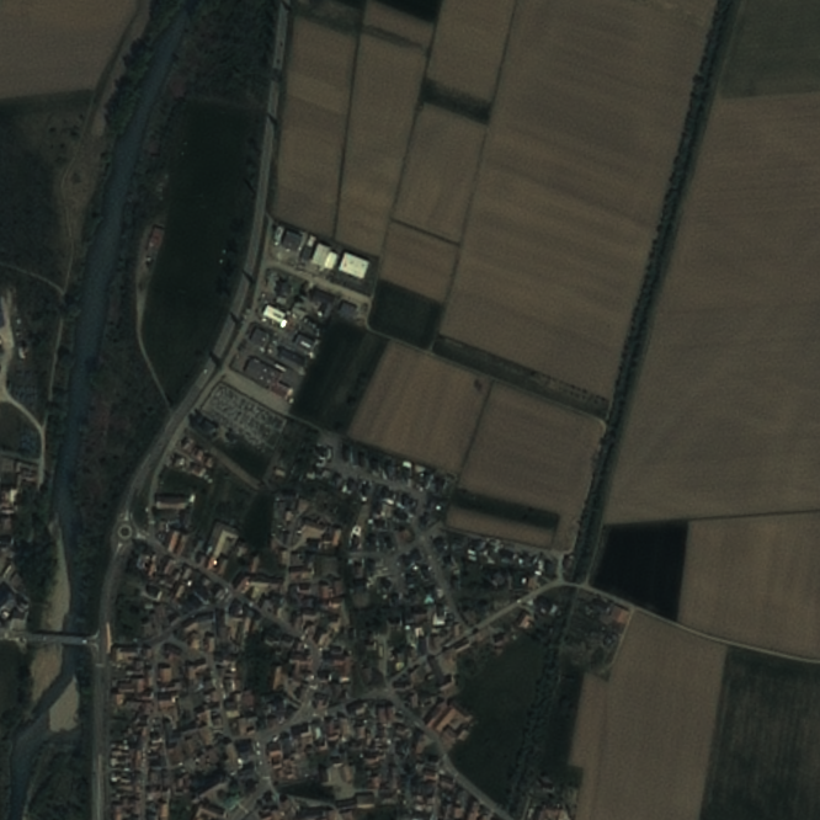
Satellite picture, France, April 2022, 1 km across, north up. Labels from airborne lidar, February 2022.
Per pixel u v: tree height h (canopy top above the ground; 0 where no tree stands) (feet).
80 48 0
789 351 0
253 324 0
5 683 0
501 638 0
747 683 0
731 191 0
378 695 0
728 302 0
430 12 0
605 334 0
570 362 0
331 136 0
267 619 0
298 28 0
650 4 0
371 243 0
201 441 0
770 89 0
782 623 0
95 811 0
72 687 0
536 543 0
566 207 0
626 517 0
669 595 0
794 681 0
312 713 0
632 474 0
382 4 0
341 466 0
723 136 0
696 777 0
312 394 0
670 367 0
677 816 0
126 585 0
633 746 0
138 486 0
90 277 0
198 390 0
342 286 0
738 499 0
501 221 0
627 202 0
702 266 0
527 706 0
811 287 0
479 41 0
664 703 0
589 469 0
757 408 0
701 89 25
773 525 0
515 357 0
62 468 0
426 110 0
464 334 0
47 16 0
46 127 0
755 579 0
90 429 35
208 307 0
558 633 37
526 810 0
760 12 0
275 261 0
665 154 0
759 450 0
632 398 0
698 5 0
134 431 0
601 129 0
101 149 0
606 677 0
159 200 0
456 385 0
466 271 0
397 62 0
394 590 0
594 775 0
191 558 0
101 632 0
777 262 0
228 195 0
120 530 0
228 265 0
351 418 0
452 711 0
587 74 0
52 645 0
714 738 0
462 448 0
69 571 0
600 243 0
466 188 0
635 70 0
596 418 0
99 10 0
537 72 0
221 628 0
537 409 0
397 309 0
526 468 0
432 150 0
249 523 0
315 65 0
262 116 0
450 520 0
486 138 0
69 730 0
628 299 0
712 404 0
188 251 0
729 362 0
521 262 0
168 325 0
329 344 0
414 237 0
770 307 0
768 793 0
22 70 0
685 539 0
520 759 22
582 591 0
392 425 0
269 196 0
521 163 0
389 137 0
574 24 0
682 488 0
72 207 0
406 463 0
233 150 0
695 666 0
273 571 0
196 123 0
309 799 0
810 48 0
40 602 0
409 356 0
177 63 36
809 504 0
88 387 0
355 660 0
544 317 0
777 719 0
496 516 0
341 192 0
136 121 0
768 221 0
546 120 0
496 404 0
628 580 0
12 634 0
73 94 0
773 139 0
